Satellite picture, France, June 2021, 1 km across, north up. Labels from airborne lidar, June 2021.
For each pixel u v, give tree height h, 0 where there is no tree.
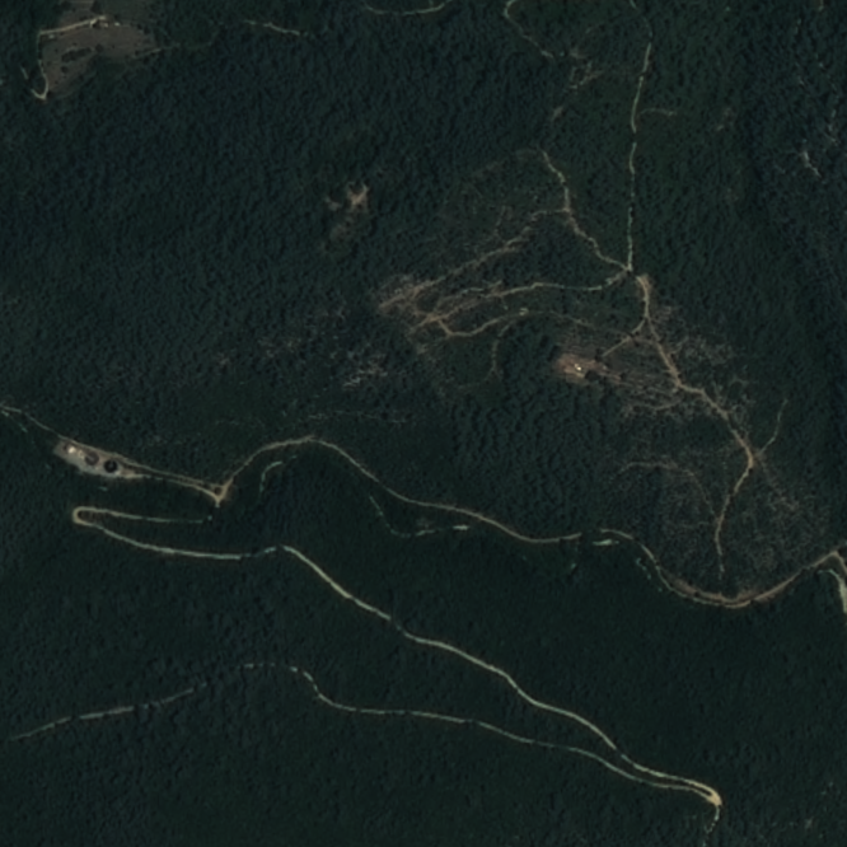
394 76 12
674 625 10
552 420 22
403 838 10
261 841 11
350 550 10
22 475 17
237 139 20
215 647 8
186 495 16
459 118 21
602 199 22
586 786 12
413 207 16
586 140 23
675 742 10
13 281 11
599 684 8
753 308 9
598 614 9
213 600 7
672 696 8
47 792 15
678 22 24
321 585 12
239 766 8
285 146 20
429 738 8
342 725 9
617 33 16
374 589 11
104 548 9
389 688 14
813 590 13
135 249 13
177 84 19
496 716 10
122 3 0
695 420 7
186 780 7
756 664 7
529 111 17
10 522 9
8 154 9
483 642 9
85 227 14
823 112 8
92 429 7
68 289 17
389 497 10
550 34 17
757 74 14
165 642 7
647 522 20
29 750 11
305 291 14
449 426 10
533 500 16
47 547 10
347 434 8
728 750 7
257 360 11
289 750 8
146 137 19
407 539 9
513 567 15
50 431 7
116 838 12
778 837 6
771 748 8
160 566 6
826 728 10
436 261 6
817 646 12
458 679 8
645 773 7
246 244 19
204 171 11
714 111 14
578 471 19
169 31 21
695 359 5
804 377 21
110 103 8
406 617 10
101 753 7
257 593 8
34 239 19
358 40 18
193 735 9
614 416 21
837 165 20
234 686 7
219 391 6
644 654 11
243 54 18
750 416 6
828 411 11
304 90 18
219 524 10
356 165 13
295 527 9
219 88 15
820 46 18
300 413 7
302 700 11
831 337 11
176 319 17
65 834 7
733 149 10
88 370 7
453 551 10
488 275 17
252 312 19
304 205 16
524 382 25
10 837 10
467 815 7
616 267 11
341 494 10
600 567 12
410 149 11
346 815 13
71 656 20
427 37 22
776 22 9
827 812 6
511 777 9
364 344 16
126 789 8
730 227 24
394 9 9
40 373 8
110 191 21
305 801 8
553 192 15
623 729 9
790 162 7
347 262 13
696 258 23
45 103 18
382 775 8
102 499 7
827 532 7
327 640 13
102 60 9
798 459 8
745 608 6
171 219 11
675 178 13
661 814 9
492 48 18
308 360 23
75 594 10
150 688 9
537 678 8
